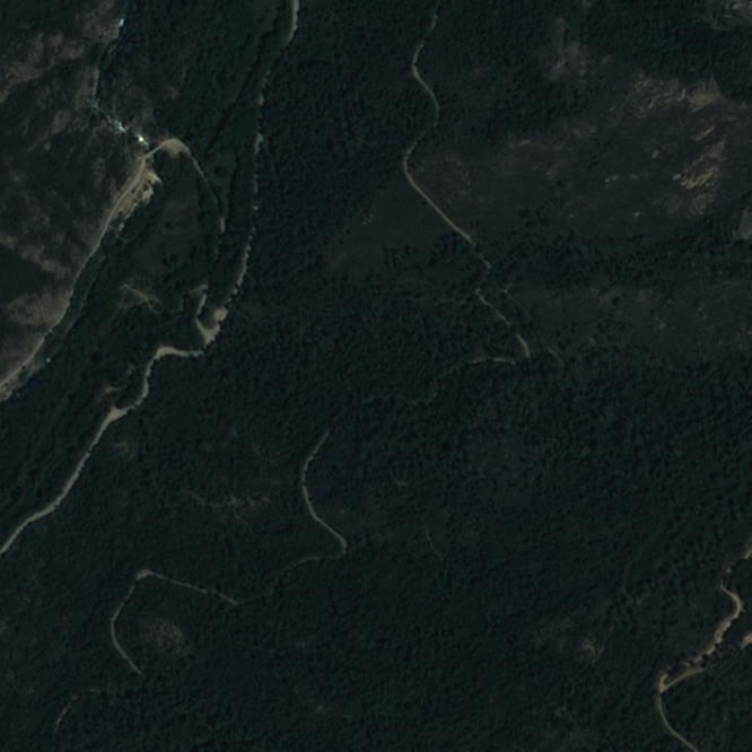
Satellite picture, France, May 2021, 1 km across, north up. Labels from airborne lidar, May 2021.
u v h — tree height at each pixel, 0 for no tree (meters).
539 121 9
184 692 10
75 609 7
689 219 7
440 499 14
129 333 6
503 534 18
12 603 7
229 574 18
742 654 28
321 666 7
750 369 19
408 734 14
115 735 22
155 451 23
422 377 8
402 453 13
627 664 10
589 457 17
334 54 7
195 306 13
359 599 12
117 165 10
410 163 10
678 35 18
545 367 26
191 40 6
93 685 13
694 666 18
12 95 6
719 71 13
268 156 13
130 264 7
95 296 17
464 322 19
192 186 0
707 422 23
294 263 18
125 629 6
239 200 20
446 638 20
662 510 17
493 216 11
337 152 23
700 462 6
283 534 25
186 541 12
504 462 27
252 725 18
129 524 8
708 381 22
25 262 6
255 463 10
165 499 13
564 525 16
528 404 28
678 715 15
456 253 17
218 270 17
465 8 7
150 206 14
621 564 9
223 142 13
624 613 22
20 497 27
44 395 15
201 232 0
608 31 13
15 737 11
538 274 9
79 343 19
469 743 8
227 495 10
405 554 6
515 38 8
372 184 16
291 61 9
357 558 12
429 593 12
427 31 9
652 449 11
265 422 8
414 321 22
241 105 9
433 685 10
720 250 24
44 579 8
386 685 12
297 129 24
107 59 18
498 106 13
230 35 19
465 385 12
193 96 17
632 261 10
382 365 11
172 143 0
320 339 24
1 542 13
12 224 6
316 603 5
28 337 0
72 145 7
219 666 16
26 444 14
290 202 19
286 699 12
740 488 21
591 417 11
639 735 16
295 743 19
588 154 6
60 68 7
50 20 9
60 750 26
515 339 12
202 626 13
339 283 15
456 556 19
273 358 21
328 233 18
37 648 11
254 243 7
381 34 13
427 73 12
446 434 12
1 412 17
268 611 10
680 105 0
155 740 7
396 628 11
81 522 13
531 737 6
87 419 12
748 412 26
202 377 12
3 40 7
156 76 8
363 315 22
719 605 14
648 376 10
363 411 17
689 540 8
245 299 20
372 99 15
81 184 8
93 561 6
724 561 26
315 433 7
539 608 12
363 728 12
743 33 9
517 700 10
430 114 15
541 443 26
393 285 19
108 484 6
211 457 7
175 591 9
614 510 16
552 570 16
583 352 10
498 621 16
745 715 26
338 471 11
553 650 6
